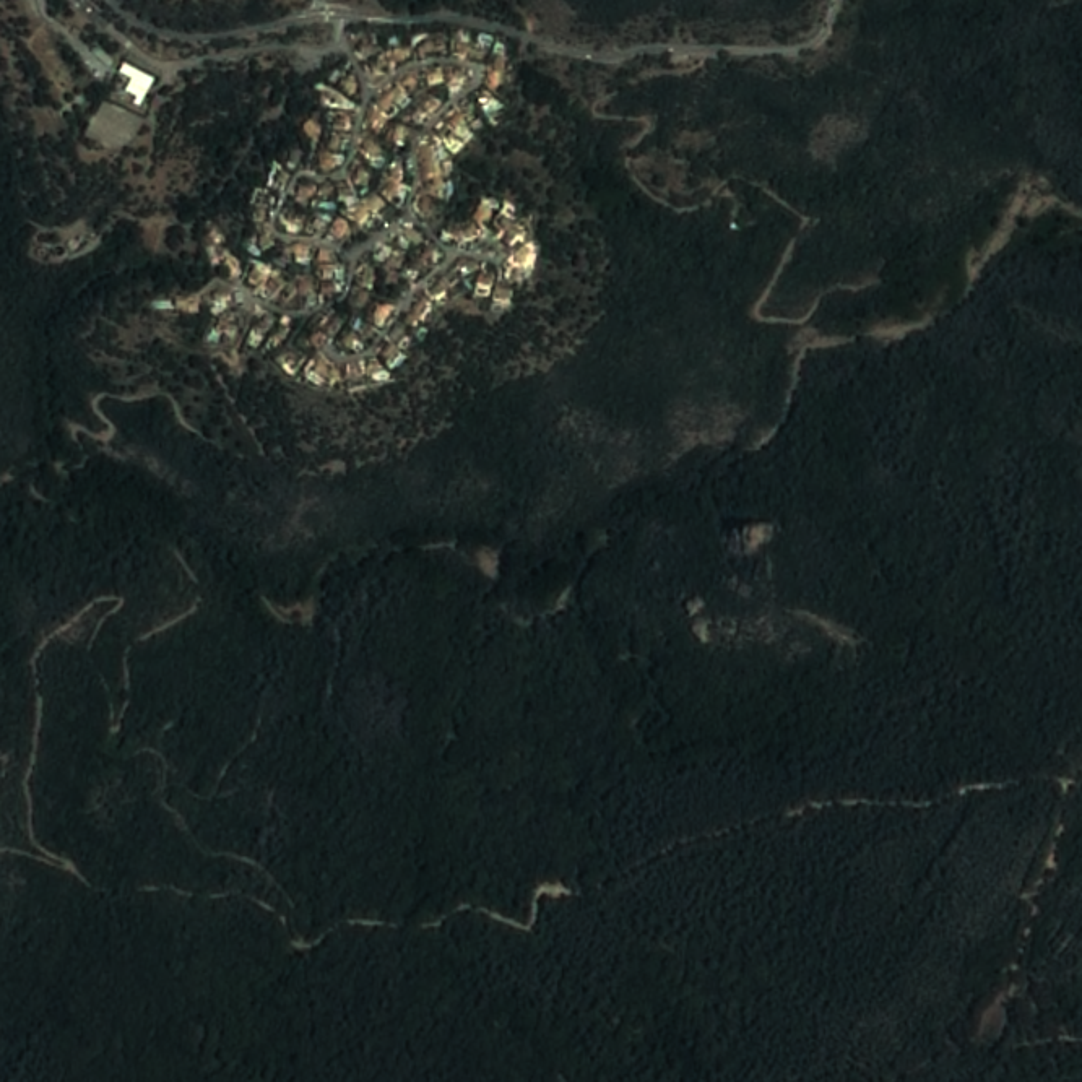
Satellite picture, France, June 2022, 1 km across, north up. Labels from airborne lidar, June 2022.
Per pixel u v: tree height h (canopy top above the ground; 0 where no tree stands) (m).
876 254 7
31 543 21
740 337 6
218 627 7
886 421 13
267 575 7
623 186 12
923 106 6
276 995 12
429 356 7
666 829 15
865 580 14
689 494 12
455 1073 11
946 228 9
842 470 13
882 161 9
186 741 12
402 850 8
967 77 7
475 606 13
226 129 8
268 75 14
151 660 7
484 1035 11
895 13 9
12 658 10
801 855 10
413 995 9
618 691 12
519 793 13
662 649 16
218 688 10
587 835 14
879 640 11
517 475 8
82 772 7
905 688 18
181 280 11
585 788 14
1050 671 8
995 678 7
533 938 13
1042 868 12
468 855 8
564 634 13
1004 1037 9
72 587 9
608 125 9
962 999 10
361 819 9
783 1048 12
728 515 7
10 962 7
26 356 10
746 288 6
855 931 9
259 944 12
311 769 12
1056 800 10
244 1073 11
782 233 10
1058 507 10
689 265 10
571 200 7
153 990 12
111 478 12
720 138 8
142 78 0
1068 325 7
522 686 14
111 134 0
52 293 7
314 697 13
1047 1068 8
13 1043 13
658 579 7
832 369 10
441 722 13
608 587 9
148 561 13
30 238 9
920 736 12
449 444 7
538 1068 12
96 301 11
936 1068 12
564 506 6
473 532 11
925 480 9
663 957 7
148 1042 10
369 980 5
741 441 9
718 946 13
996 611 10
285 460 8
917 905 6
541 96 14
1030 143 6
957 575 12
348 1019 16
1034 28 7
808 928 15
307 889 13
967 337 13
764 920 13
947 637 17
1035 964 10
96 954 8
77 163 7
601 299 9
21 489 8
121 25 6
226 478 9
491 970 16
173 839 5
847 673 10
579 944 17
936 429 7
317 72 7
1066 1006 9
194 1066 14
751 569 7
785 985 8
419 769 7
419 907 11
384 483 6
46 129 0
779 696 9
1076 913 7
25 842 6
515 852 13
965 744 13
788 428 14
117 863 7
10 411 6
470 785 10
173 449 6
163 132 7
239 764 9
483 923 8
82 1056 15
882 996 10
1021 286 12
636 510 16
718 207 9
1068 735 15
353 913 10
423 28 10
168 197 7
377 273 11
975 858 7
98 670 6
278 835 13
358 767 7
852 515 12
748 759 13
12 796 7
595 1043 20
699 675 15
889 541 13
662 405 6
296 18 0
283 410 8
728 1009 20
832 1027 12
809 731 13
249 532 7
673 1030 7
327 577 8
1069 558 10
